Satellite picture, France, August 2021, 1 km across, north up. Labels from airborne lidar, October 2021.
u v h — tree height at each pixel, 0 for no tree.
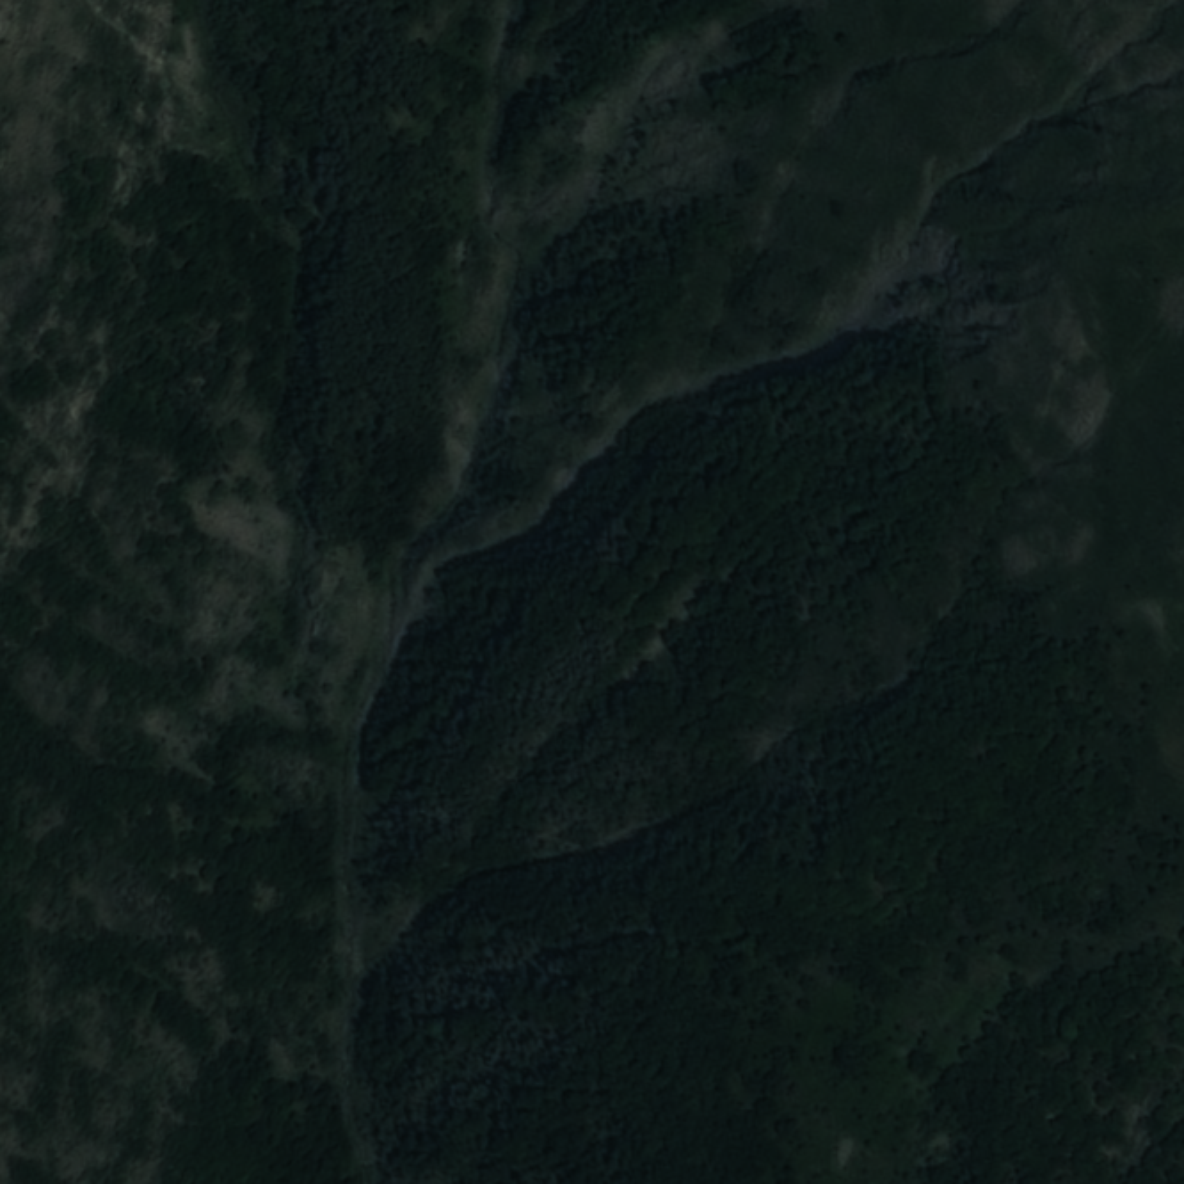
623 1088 18
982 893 8
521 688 20
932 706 10
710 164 0
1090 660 11
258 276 10
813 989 10
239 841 15
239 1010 11
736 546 15
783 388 9
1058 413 0
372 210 33
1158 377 0
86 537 10
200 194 20
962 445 11
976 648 9
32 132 0
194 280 18
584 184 0
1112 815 9
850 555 7
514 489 9
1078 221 0
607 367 18
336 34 36
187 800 11
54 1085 9
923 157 0
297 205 14
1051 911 7
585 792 9
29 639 9
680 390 0
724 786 5
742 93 10
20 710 22
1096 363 0
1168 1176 12
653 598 18
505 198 0
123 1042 8
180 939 8
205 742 7
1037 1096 8
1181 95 0
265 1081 9
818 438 7
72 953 12
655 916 15
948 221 0
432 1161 12
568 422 6
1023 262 0
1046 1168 11
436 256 16
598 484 10
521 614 21
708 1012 18
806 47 8
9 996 10
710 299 0
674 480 19
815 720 6
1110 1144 12
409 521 8
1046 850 9
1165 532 0
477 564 10
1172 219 0
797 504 9
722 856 15
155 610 8
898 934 10
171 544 8
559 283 9
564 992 19
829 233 0
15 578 10
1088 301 0
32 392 9
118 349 12
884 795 16
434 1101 13
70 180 13
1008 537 0
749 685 8
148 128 8
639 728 17
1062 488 0
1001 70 0
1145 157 0
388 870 11
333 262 23
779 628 9
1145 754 0
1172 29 0
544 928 14
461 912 21
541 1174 8
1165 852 8
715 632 15
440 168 9
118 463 7
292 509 9
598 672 14
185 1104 12
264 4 14
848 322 0
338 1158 15
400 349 34
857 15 0
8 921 15
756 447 14
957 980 10
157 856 10
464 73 10
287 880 15
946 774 15
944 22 0
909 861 13
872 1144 8
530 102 14
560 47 11
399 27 28
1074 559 0
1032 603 7
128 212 10
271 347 11
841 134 0
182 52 0
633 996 16
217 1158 15
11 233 0
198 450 20
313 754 6
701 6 13
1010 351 0
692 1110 11
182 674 11
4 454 11
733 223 7
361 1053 12
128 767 14
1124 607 0
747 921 16
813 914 10
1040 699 12
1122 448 0
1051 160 0
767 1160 13
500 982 27
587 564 23
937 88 0
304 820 14
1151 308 0
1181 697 0
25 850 12
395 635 0
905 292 11
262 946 13
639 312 16
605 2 9
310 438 15
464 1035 21
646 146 19
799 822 12
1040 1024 9
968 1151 12
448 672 17
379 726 15
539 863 12
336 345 30
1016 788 10
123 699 9
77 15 0
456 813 14
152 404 14
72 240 11
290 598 7
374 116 36
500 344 0
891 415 8
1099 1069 11
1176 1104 10
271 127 17
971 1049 10
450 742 25
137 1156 9
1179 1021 11
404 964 11
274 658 13
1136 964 11
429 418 6
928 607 7
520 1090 13
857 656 6
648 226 10
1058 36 0
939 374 10
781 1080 13
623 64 7
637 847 8
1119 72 0
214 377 17
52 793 6
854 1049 7
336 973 9
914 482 11
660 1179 12
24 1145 8
